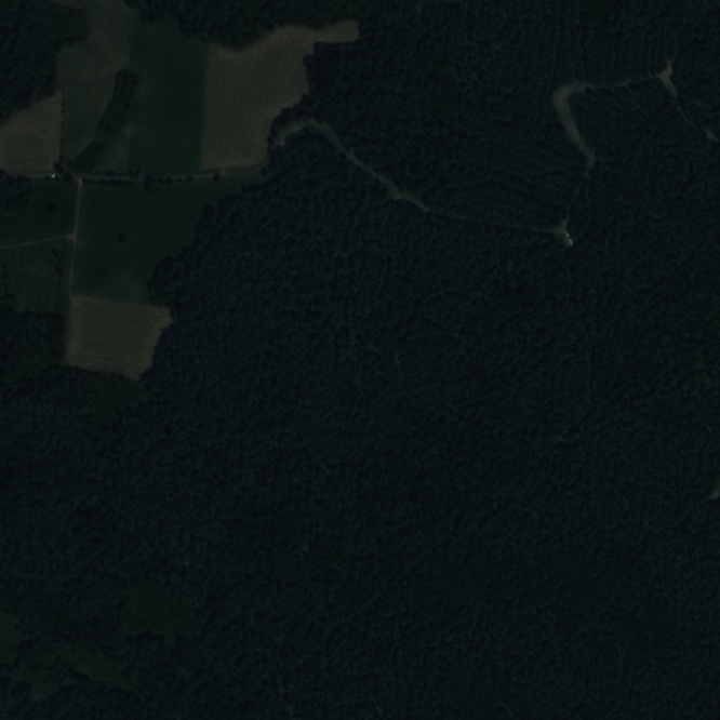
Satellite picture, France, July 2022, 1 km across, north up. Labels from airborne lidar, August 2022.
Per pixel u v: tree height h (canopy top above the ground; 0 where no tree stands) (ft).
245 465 71
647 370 61
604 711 91
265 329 90
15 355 57
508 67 81
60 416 84
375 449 74
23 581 76
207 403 68
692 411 46
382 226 90
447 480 65
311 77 32
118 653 62
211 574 73
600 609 65
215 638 52
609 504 86
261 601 29
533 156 60
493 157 57
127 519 99
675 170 91
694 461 52
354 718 102
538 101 47
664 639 51
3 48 38
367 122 73
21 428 78
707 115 43
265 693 70
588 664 95
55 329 22
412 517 48
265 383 72
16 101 59
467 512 80
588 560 55
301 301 28
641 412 84
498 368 63
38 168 0
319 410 96
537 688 82
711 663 70
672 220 96
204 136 0
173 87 0
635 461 79
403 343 72
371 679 88
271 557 69
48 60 77
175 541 83
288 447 86
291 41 0
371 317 107
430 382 66
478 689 58
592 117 56
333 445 41
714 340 68
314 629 70
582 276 82
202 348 73
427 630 87
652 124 81
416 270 52
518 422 61
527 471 62
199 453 71
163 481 74
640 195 82
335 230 88
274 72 0
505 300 56
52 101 0
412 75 63
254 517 75
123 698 47
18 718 47
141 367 0
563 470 63
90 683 41
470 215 62
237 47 23
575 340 55
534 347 56
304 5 70
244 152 0
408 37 66
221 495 73
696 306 66
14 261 0
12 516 68
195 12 41
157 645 76
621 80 50
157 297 25
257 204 93
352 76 64
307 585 64
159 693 61
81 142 0
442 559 63
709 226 82
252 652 78
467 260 100
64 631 59
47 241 0
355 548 39
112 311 0
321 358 88
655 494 80
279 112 0
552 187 60
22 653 60
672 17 46
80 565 62
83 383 64
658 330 74
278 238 74
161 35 0
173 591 38
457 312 64
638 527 77
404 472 77
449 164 22
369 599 72
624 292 71
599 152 62
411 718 112
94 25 0
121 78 22
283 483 39
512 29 59
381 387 43
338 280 68
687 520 75
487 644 77
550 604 36
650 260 87
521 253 80
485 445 85
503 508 73
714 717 51
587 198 70
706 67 73
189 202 0
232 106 0
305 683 87
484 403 81
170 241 0
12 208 54
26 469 36
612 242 90
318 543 66
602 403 61
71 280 0
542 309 77
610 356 68
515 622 75
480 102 27
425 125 67
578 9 32
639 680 92
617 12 61
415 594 62
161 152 0
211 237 54
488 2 56
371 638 70
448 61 60
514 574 57
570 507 73
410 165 32
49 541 84
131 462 66
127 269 0
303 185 67
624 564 62
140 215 0
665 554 77
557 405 71
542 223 73
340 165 60
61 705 88
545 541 77
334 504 47
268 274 86
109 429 38
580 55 55
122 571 68
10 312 23
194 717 58
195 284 84
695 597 76
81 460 66
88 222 0
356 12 39
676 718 57
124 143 0
